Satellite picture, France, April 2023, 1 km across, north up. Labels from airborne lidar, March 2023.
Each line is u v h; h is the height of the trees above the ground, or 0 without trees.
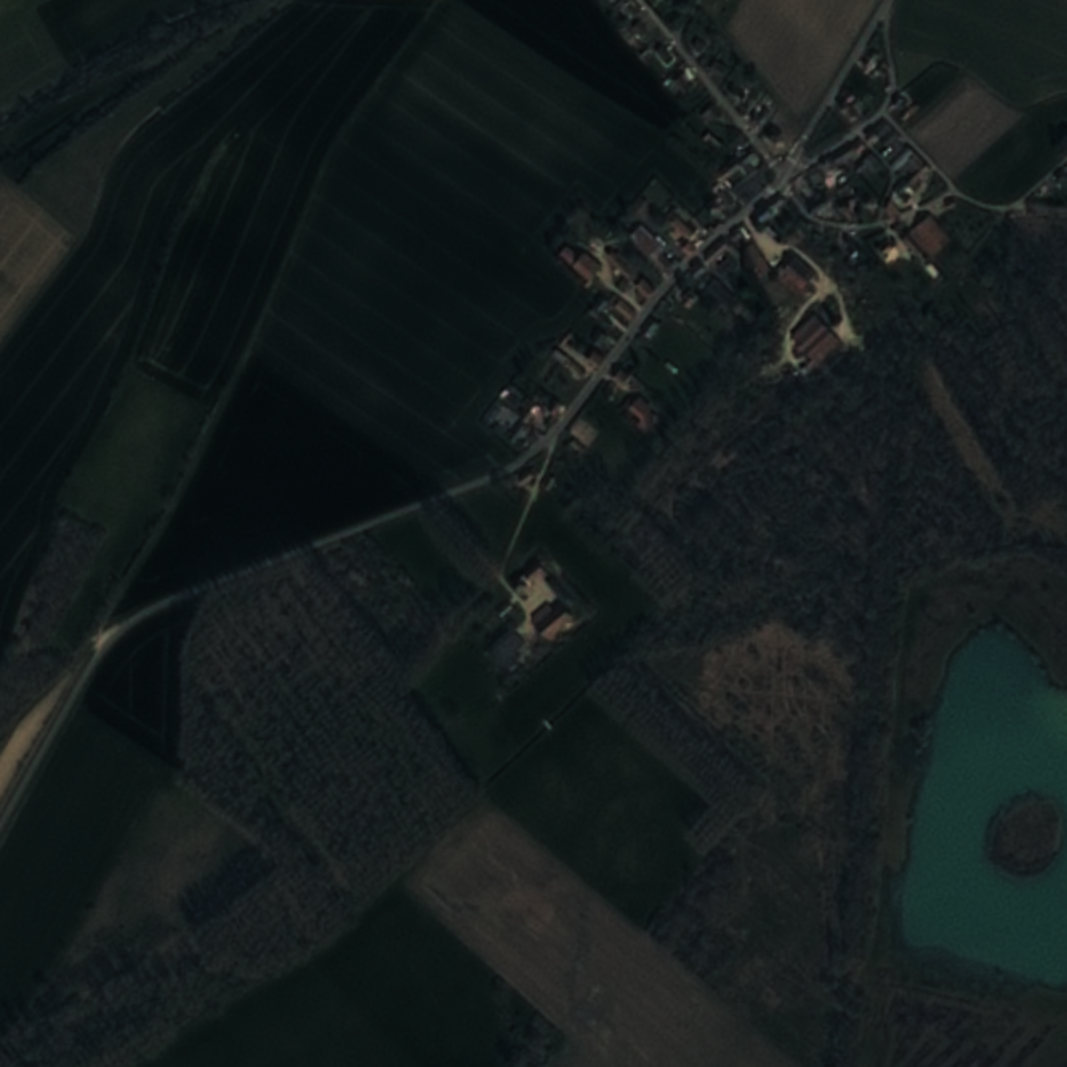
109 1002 30
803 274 0
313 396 0
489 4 0
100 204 0
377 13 0
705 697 0
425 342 0
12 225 0
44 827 0
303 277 0
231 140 0
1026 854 0
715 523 24
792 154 0
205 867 0
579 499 30
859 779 22
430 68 0
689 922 15
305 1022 0
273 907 41
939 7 0
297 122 0
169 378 0
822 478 23
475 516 0
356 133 0
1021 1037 0
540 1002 0
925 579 16
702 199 0
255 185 0
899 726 0
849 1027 13
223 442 0
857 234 0
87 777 0
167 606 0
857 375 24
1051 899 0
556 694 0
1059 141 17
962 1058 0
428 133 0
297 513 0
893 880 0
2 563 0
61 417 0
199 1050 0
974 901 0
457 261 0
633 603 0
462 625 22
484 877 0
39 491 0
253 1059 0
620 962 0
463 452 0
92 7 0
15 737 0
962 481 18
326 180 0
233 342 0
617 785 0
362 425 0
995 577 0
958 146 0
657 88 0
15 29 0
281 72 0
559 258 18
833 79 0
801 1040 0
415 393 0
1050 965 0
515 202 0
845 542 20
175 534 0
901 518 23
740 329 8
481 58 0
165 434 0
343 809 42
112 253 0
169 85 0
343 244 0
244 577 32
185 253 0
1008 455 30
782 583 20
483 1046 0
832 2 0
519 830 0
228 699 37
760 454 17
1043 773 0
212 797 32
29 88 0
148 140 0
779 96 0
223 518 0
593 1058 0
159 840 0
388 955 0
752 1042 0
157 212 0
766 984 0
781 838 0
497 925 0
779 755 0
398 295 0
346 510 0
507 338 0
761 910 0
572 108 0
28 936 0
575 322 0
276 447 0
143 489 0
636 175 0
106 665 0
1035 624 0
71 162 0
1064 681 0
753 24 0
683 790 0
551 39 0
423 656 39
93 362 0
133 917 0
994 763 0
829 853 0
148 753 0
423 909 0
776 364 0
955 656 0
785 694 0
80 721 0
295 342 0
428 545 0
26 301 0
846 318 0
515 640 0
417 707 36
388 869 38
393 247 0
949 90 0
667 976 0
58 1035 35
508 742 0
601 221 6
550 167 0
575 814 0
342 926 34
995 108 0
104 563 0
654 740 28
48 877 0
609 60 0
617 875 0
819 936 0
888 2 0
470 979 0
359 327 0
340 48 0
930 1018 0
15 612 0
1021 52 0
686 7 13
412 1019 0
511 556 0
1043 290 41
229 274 0
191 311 0
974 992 0
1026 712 0
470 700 0
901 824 0
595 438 0
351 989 0
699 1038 0
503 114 0
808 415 22
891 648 20
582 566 0
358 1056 0
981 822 0
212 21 17
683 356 0
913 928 0
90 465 0
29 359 0
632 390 0
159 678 0
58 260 0
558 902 0
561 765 0
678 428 33
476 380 0
